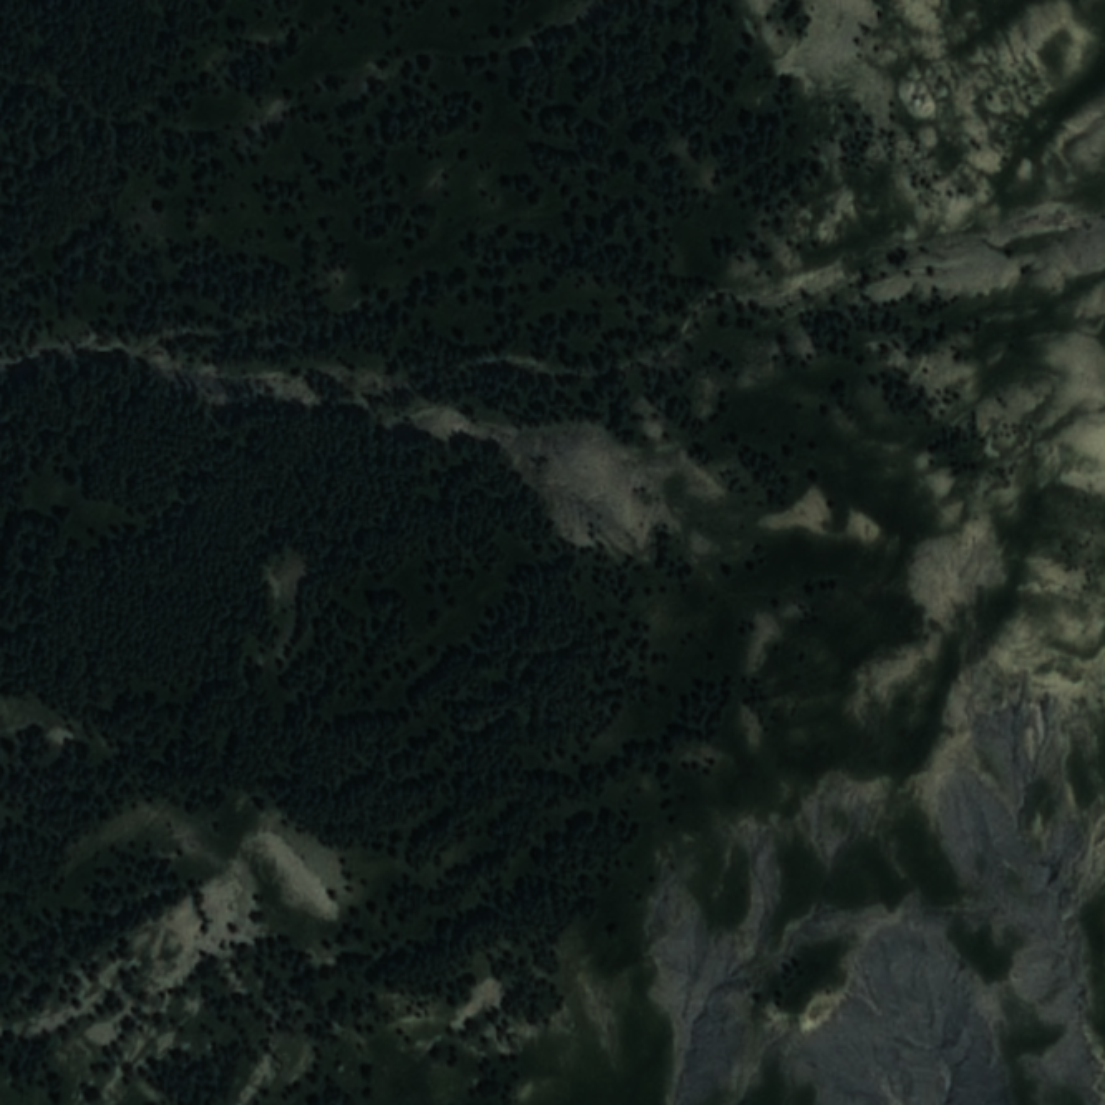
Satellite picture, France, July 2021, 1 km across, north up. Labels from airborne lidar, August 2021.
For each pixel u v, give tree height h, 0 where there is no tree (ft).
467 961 41
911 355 34
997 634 0
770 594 0
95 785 51
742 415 0
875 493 0
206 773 83
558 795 68
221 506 61
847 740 0
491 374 51
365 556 52
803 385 0
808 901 0
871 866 0
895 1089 0
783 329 0
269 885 0
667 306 50
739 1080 0
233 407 23
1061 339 0
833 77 0
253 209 0
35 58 87
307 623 45
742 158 65
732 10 53
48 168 92
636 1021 0
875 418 0
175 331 48
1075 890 0
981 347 0
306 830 25
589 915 53
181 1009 0
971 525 0
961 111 0
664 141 60
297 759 54
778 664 0
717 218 0
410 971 74
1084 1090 0
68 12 100
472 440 61
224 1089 43
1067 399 0
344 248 33
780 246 0
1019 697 0
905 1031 0
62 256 52
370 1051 0
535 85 63
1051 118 0
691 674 0
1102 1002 0
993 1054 0
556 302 0
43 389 92
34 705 0
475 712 53
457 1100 0
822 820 0
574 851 66
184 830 0
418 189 0
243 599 63
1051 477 0
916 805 0
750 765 0
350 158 50
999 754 0
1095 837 0
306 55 0
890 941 0
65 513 59
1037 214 0
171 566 78
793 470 0
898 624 0
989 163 0
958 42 0
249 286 70
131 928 37
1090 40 0
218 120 0
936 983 0
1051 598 0
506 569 0
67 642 61
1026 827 0
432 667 0
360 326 68
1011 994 0
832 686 0
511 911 72
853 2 0
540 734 60
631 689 32
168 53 87
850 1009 0
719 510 0
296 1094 25
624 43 66
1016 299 0
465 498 47
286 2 70
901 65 0
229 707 53
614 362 57
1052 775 0
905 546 0
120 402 81
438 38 0
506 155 0
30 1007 34
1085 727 0
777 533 0
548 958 52
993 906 0
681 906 0
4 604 69
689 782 0
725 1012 0
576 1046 0
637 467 0
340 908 0
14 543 82
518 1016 27
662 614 0
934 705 0
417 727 0
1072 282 0
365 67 0
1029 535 0
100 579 63
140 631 81
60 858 59
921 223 0
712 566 0
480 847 0
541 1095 0
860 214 0
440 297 70
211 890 0
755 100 0
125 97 79
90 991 0
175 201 0
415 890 64
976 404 0
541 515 60
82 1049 0
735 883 0
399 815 58
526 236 43
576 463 0
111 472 63
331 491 81
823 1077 0
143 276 53
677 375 44
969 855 0
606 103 43
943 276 0
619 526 0
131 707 82
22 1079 59
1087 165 0
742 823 0
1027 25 0
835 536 0
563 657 56
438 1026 0
